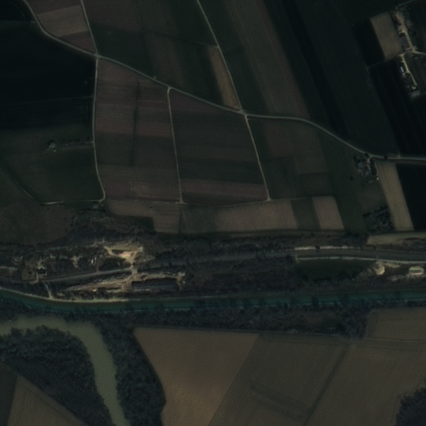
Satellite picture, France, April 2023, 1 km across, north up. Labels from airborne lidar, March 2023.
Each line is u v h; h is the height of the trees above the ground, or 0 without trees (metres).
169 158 0
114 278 0
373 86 0
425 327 0
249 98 0
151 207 0
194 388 0
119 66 0
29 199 0
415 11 0
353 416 0
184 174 0
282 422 0
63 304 0
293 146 0
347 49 0
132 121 0
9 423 0
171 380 0
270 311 14
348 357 0
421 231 0
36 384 11
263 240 10
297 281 7
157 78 0
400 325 0
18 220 0
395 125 0
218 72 0
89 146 0
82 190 0
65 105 0
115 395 0
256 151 0
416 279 19
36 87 0
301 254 0
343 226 0
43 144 0
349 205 0
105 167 0
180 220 0
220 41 0
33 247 6
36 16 0
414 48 0
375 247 7
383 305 20
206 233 0
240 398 0
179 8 0
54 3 0
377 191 0
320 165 0
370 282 14
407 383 0
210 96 0
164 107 0
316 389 0
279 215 0
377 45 0
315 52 0
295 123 0
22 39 0
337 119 0
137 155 0
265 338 0
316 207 0
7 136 0
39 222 0
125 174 0
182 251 11
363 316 23
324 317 0
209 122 0
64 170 0
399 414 0
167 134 0
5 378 0
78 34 0
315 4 0
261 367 0
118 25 0
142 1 0
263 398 0
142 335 0
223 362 0
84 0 0
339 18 0
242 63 0
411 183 0
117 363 14
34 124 0
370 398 0
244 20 0
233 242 8
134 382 18
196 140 0
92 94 0
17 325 0
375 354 0
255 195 0
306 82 0
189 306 0
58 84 0
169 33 0
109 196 0
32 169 0
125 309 0
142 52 0
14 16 0
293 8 0
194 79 0
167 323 12
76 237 6
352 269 0
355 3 0
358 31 0
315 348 0
